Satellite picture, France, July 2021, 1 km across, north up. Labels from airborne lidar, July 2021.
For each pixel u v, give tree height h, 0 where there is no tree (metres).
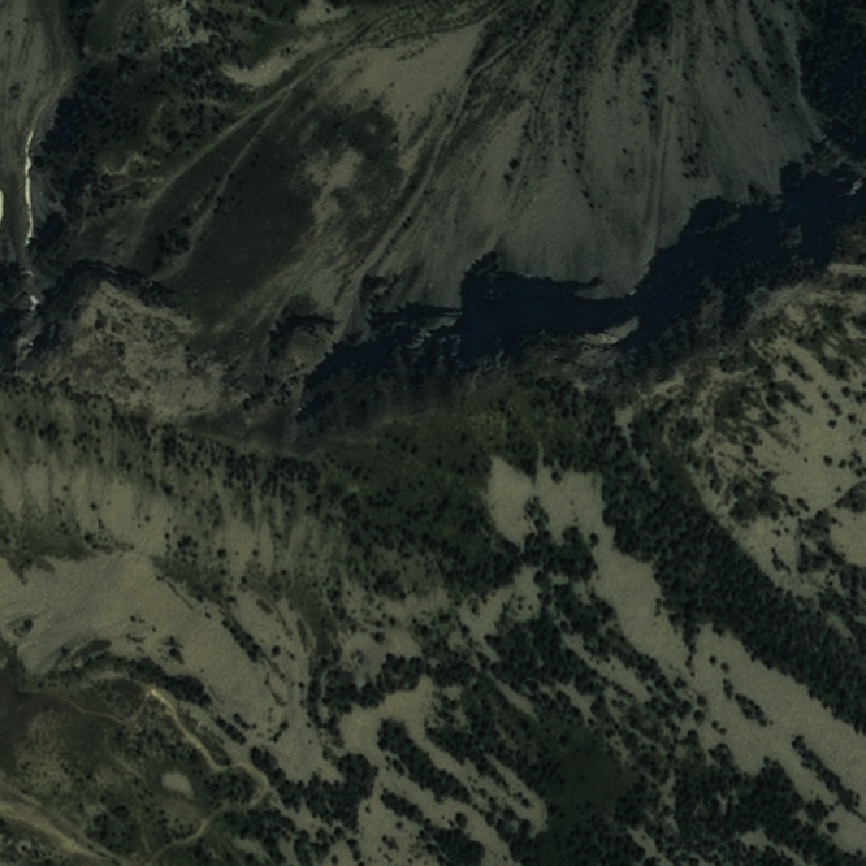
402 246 0
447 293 0
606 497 10
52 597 0
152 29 0
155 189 0
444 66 0
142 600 0
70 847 0
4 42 0
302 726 0
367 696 13
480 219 0
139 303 0
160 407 0
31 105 0
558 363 0
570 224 0
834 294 0
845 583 15
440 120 0
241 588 0
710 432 0
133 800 0
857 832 0
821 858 7
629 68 0
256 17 7
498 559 13
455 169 0
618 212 0
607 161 0
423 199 0
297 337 0
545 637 17
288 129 0
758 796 11
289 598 0
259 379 0
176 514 0
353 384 0
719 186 0
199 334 0
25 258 0
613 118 0
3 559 0
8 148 0
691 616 18
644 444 10
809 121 0
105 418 0
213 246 0
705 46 0
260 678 0
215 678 0
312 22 0
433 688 0
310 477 10
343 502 9
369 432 0
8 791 0
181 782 0
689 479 0
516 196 0
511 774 0
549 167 0
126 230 0
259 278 0
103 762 0
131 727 0
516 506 0
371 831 0
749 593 12
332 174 0
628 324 0
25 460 0
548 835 0
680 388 0
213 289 0
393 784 0
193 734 0
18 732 0
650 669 18
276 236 0
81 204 6
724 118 0
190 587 0
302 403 0
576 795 0
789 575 0
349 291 0
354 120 0
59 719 0
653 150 0
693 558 11
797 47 0
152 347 0
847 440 0
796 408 0
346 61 0
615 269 0
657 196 0
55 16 0
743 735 0
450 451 0
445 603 0
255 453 10
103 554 0
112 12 0
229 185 0
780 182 0
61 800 0
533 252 0
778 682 0
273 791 0
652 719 0
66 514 0
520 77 0
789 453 0
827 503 0
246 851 0
